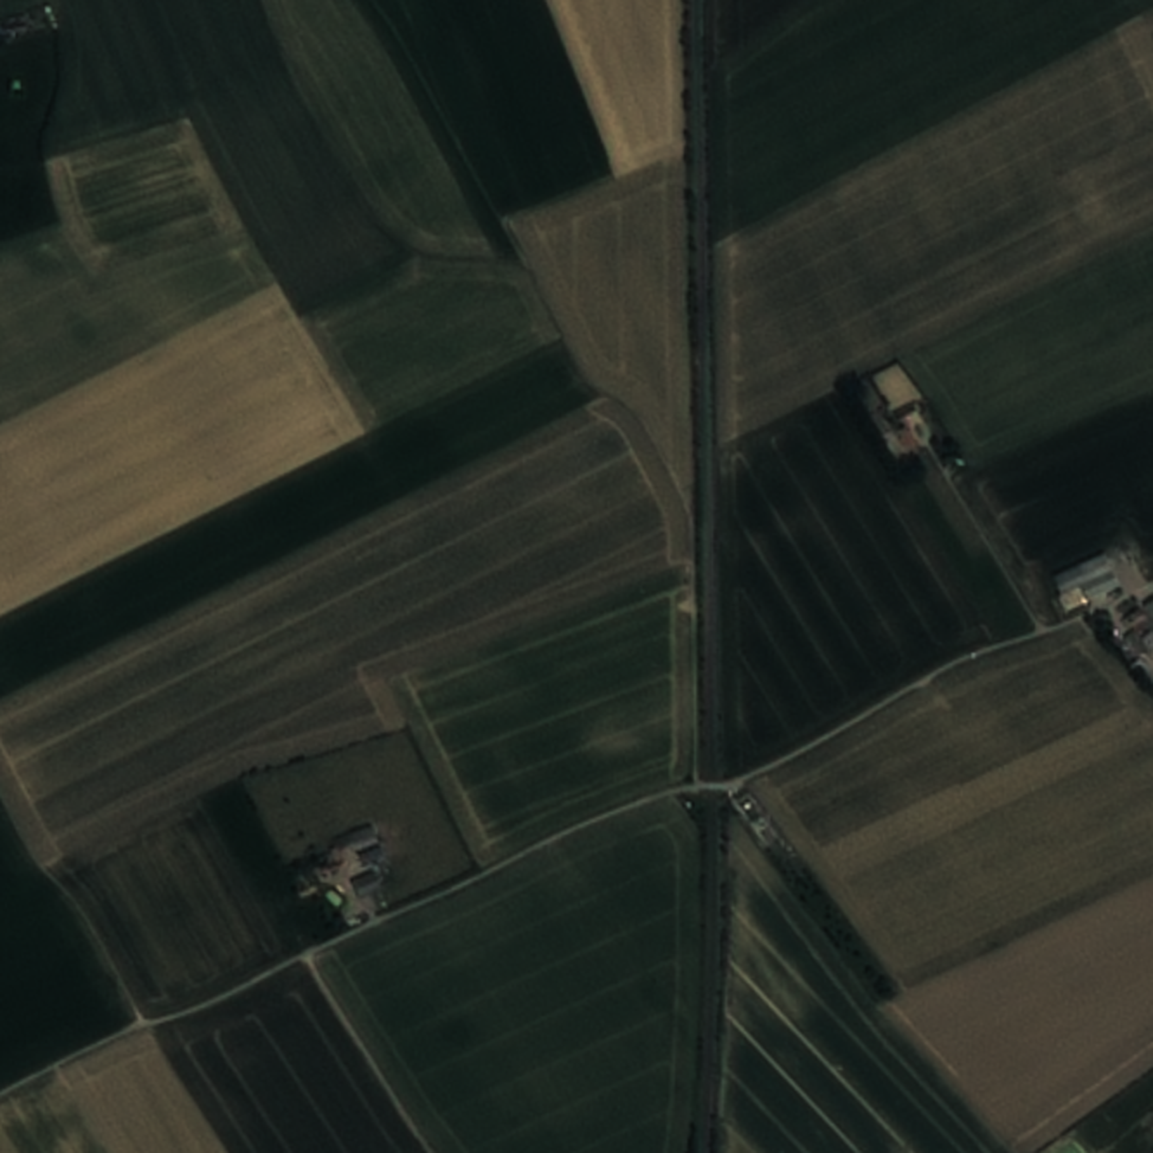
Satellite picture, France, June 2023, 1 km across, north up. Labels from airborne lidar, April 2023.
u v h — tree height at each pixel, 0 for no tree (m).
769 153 0
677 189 0
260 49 0
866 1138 0
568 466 0
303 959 0
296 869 9
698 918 0
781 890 0
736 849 0
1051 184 0
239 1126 0
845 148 0
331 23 0
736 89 0
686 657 0
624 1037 0
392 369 0
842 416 0
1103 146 0
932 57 0
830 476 0
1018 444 0
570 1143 0
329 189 0
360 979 0
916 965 0
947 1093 0
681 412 0
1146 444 0
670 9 0
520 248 0
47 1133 0
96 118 0
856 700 0
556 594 0
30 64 0
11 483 0
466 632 0
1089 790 0
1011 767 0
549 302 0
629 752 0
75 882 0
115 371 0
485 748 0
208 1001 0
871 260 0
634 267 0
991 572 0
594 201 0
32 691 0
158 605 0
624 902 0
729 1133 0
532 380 0
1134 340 0
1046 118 0
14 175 0
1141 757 0
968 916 0
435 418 0
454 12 0
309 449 0
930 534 0
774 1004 0
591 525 0
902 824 0
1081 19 0
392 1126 0
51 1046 0
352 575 0
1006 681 0
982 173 0
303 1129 0
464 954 0
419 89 0
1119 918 0
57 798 0
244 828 0
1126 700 0
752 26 0
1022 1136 0
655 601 0
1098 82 0
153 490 0
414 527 0
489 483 0
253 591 0
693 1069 0
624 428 0
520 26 0
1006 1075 0
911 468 20
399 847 0
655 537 0
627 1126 0
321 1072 0
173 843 0
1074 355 0
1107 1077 0
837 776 0
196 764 0
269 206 0
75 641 0
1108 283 0
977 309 0
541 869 0
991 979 0
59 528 0
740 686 0
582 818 0
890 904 0
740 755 0
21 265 0
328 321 0
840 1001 0
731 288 0
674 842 0
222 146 0
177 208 0
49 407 0
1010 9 0
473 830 0
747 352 0
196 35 0
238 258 0
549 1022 0
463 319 0
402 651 0
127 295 0
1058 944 0
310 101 0
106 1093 0
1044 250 0
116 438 0
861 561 0
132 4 0
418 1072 0
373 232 0
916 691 0
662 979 0
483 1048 0
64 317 0
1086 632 0
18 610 0
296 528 0
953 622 0
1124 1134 0
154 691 0
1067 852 0
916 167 0
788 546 0
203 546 0
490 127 0
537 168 0
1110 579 0
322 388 0
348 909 0
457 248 0
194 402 0
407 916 0
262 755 0
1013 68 0
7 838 0
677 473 0
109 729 0
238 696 0
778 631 0
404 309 0
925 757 0
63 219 0
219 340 0
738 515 0
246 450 0
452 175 0
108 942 0
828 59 0
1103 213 0
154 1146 0
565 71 0
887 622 0
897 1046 0
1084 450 0
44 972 0
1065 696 0
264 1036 0
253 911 0
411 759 0
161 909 0
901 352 0
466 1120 0
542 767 0
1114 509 0
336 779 0
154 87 0
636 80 0
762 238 0
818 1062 0
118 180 0
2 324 0
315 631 0
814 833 0
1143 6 0
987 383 0
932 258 0
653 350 0
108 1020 0
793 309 0
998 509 0
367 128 0
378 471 0
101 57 0
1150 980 0
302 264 0
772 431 0
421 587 0
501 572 0
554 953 0
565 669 0
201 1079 0
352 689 0
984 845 0
